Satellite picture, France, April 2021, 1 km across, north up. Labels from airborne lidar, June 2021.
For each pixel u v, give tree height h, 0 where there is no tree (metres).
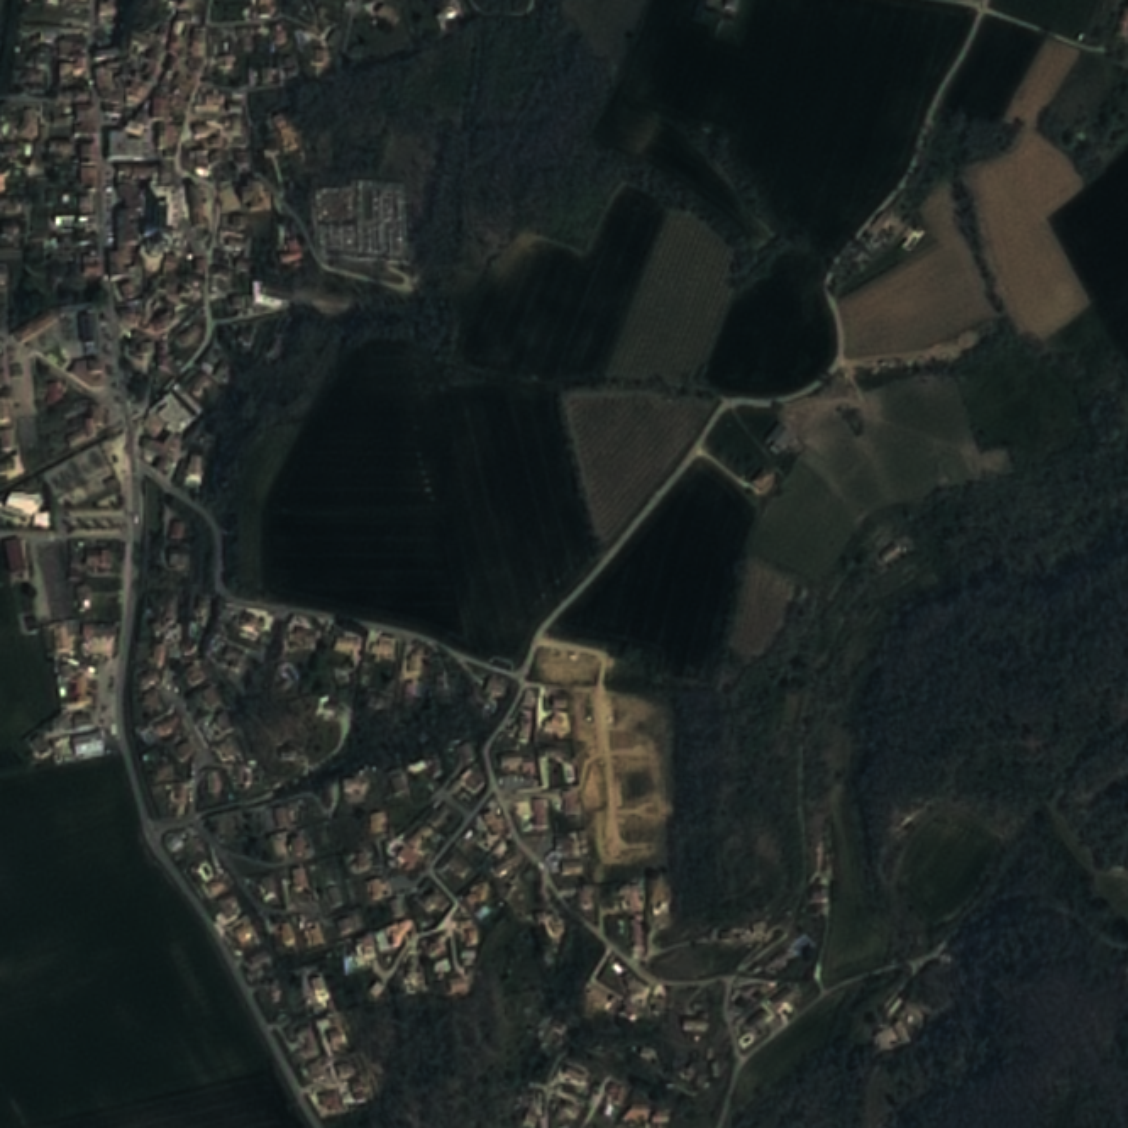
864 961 0
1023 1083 14
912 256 0
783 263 0
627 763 0
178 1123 0
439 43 8
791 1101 7
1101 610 17
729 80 0
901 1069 8
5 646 0
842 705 8
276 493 0
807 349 0
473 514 0
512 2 8
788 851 10
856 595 16
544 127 13
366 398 0
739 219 0
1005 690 14
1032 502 11
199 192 0
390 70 10
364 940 0
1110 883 0
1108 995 20
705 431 0
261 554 0
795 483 0
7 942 0
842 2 0
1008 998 12
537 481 0
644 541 0
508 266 0
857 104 0
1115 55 11
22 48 6
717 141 10
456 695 16
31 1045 0
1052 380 0
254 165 11
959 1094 12
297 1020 7
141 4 0
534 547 0
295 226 10
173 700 0
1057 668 12
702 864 10
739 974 8
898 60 0
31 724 0
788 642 14
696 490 0
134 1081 0
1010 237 0
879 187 0
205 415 6
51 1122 0
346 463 0
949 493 7
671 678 0
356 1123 0
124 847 0
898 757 11
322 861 0
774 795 13
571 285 0
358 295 15
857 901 0
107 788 0
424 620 0
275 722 16
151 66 0
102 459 9
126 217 0
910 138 0
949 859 0
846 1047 12
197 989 0
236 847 0
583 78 16
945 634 11
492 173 10
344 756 8
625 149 0
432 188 11
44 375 9
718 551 0
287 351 8
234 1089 0
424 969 9
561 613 0
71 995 0
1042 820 14
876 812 13
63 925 0
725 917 7
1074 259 0
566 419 11
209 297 0
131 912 0
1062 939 16
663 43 0
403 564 0
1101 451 10
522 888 0
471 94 6
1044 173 0
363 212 0
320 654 12
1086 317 0
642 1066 17
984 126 10
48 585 0
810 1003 0
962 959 6
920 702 9
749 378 0
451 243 10
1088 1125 11
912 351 0
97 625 0
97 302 19
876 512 0
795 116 0
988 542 15
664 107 0
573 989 15
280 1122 0
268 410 10
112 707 0
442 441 0
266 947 6
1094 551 8
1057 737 13
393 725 12
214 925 0
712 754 14
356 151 11
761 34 0
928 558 8
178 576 7
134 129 0
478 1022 12
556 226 8
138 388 10
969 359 10
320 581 0
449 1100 13
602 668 0
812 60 0
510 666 0
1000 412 0
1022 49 0
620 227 0
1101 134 10
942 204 0
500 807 0
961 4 0
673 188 11
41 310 19
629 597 0
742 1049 0
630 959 0
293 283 17
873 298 0
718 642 8
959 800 10
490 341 0
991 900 9
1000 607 14
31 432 0
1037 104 0
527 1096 14
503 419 0
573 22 7
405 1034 10
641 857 0
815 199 0
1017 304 0
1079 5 0
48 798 0
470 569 0
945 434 0
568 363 0
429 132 13
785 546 0
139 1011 0
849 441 0
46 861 0
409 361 0
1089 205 0
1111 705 14
